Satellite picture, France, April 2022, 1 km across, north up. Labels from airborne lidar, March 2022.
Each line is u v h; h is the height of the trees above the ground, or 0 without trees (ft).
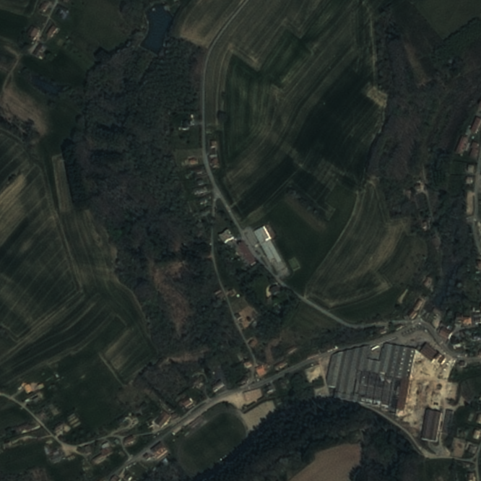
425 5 0
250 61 0
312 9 0
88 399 0
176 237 90
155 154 66
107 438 0
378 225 0
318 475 0
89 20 0
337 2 0
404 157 115
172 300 0
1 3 0
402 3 0
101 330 0
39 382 0
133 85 79
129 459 0
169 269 0
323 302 0
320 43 0
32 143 58
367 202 0
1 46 0
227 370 46
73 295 0
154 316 70
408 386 0
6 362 0
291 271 0
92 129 92
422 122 107
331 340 55
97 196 56
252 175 0
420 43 0
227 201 0
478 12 0
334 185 0
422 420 0
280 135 0
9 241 0
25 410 0
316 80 0
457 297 55
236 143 0
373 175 81
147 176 75
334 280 0
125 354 0
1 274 0
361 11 0
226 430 0
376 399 0
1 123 74
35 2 0
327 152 0
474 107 0
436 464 0
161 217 58
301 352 0
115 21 0
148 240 90
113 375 0
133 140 86
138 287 64
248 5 0
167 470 79
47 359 0
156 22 0
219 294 0
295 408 64
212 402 0
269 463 82
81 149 105
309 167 0
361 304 0
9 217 0
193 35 0
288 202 0
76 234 0
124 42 0
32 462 0
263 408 0
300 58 0
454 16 0
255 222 0
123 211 98
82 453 0
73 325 0
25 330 0
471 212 0
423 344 0
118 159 71
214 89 0
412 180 71
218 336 71
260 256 0
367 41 0
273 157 0
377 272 0
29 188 0
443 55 40
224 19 0
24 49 49
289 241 0
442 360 0
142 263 78
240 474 98
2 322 0
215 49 0
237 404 0
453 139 0
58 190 0
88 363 0
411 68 116
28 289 0
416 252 0
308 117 0
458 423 0
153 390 27
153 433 0
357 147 0
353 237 0
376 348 0
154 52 0
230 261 56
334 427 94
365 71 0
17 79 0
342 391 0
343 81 0
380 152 91
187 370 49
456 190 0
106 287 0
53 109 40
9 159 0
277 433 88
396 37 57
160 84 59
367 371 0
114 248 57
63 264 0
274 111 0
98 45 0
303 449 29
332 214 0
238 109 0
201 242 52
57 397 0
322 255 0
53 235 0
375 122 0
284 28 0
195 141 0
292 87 0
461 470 0
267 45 0
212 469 0
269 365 0
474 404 24
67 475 0
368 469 82
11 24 0
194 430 0
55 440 0
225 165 0
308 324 0
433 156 51
